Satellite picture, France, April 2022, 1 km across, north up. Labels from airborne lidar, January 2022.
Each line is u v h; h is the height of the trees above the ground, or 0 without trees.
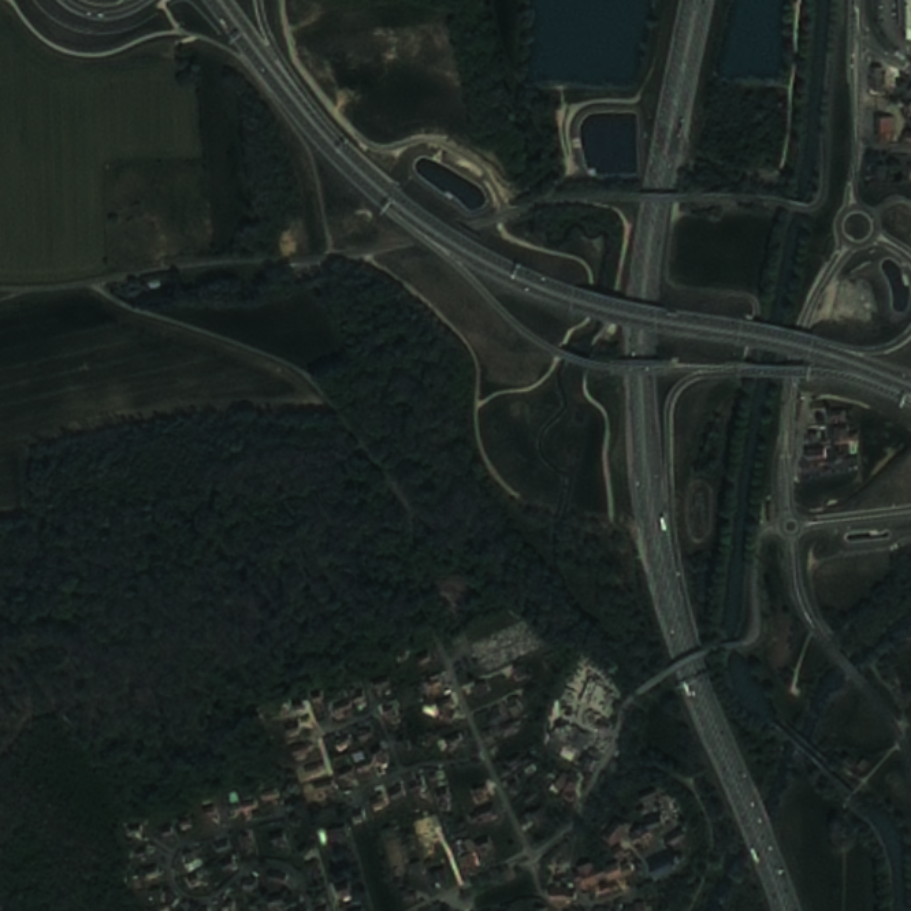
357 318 21
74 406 0
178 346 0
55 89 0
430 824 0
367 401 23
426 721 0
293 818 7
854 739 0
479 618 18
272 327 0
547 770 7
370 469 22
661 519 0
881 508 0
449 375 28
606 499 0
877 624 17
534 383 0
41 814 15
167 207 0
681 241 0
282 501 24
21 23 0
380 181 0
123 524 24
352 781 0
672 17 0
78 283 0
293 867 0
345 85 0
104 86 0
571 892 0
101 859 11
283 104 0
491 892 0
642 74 0
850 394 0
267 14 0
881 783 0
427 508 27
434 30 0
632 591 9
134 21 0
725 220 0
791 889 0
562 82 0
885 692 0
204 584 26
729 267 0
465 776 0
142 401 0
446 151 0
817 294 0
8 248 0
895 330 0
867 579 0
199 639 29
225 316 0
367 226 0
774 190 11
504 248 0
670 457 0
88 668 31
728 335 0
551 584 18
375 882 0
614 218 12
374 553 24
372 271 10
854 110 0
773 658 0
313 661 24
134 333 0
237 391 0
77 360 0
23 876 15
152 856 0
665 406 0
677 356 0
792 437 0
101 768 13
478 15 16
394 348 15
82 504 18
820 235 0
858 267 0
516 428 0
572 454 0
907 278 0
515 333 0
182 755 22
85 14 0
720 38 0
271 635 30
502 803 0
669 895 13
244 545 26
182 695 28
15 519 12
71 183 0
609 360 0
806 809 0
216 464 27
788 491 0
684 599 0
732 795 0
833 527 0
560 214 16
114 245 0
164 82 0
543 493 0
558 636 20
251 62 0
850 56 0
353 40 0
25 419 0
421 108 0
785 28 8
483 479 10
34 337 0
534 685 9
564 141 0
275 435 21
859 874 0
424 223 0
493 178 0
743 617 0
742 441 13
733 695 16
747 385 15
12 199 0
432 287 0
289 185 22
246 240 14
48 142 0
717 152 9
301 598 29
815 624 0
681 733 8
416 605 17
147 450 19
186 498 23
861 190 0
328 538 26
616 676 12
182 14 0
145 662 31
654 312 0
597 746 0
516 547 14
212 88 0
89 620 27
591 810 18
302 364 0
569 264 0
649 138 0
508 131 24
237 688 28
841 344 0
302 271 0
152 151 0
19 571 27
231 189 0
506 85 25
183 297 18
